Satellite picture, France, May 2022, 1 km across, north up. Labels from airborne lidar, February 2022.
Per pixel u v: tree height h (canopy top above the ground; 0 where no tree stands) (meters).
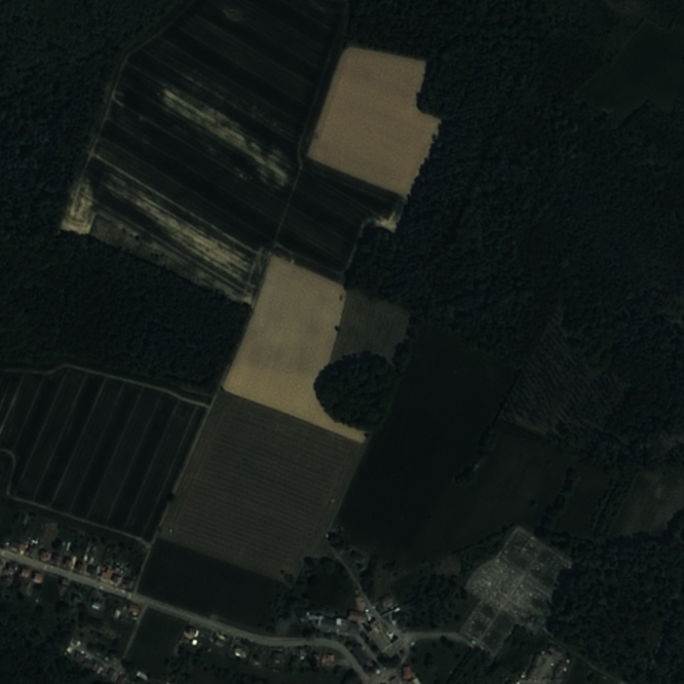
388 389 29
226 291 0
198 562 0
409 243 25
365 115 0
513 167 32
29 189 29
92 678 12
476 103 23
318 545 0
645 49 0
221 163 0
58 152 24
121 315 23
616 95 0
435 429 0
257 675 0
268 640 0
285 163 0
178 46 0
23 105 25
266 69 0
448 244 22
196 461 0
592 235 15
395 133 0
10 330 23
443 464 0
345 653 0
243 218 0
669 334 27
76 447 0
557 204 18
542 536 21
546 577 0
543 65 13
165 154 0
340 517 0
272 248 0
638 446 23
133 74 0
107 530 0
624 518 0
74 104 22
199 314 22
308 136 0
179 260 0
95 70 14
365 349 0
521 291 26
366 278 20
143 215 0
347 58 0
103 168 0
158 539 0
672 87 0
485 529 0
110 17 25
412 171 0
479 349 15
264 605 0
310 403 0
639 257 18
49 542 0
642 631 30
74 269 18
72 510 0
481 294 24
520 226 13
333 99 0
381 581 0
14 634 21
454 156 23
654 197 17
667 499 0
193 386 14
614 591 27
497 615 0
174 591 0
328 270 0
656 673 29
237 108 0
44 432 0
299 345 0
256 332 0
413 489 0
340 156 0
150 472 0
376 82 0
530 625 0
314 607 9
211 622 0
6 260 19
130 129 0
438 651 0
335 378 23
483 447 13
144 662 0
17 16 19
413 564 0
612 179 15
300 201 0
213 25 0
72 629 12
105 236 0
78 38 24
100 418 0
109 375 0
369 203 0
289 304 0
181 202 0
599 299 20
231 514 0
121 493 0
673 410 28
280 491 0
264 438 0
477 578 0
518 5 20
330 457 0
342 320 0
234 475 0
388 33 12
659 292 18
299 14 0
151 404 0
